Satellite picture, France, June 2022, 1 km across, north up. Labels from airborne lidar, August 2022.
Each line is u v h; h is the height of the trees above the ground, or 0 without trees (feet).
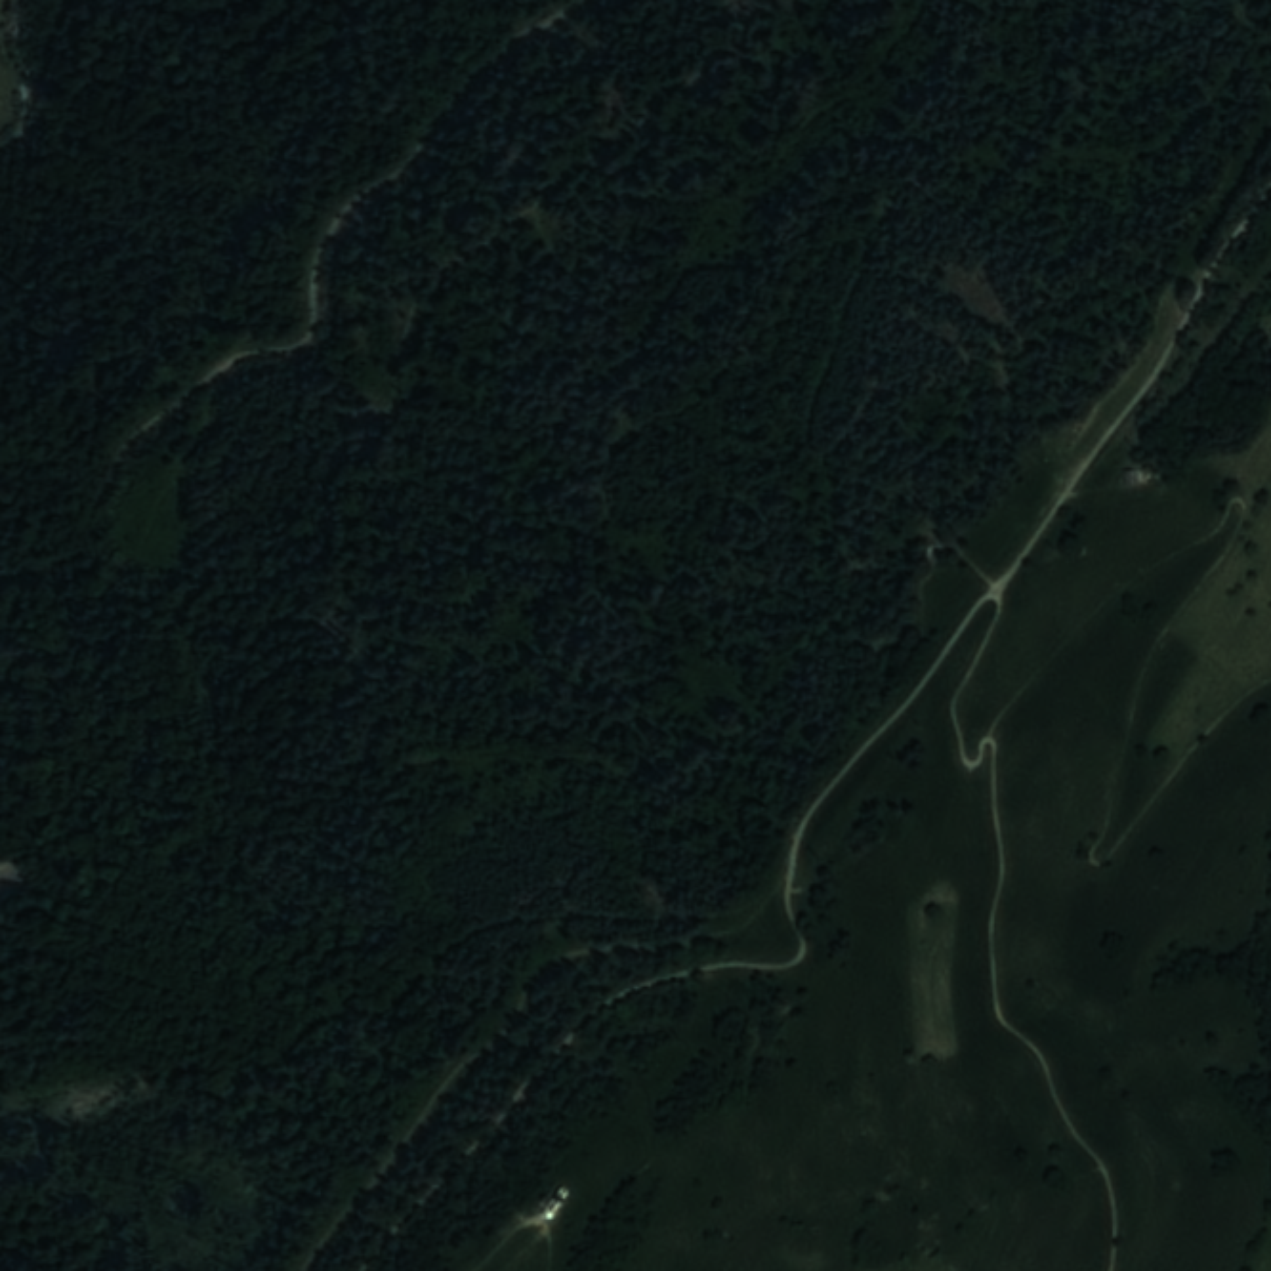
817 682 93
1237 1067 0
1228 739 0
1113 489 0
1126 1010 0
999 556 0
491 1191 49
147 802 26
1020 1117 0
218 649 37
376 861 46
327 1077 52
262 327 52
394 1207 37
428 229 42
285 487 49
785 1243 0
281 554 52
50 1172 57
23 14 40
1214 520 0
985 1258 0
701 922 77
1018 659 0
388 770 62
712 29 108
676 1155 0
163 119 28
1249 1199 0
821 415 51
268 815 46
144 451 38
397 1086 66
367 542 73
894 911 0
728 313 75
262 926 45
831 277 45
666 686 54
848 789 0
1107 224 39
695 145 46
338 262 41
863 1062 0
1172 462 86
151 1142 46
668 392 77
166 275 33
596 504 95
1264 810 0
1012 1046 0
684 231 26
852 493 79
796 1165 0
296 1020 40
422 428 46
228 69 71
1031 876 0
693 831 60
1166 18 74
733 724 94
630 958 82
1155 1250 0
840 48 43
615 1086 69
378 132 58
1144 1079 0
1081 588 0
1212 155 43
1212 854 0
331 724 75
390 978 53
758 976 39
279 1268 29
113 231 69
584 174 69
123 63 55
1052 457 0
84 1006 42
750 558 55
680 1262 0
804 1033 0
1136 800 0
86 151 74
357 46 64
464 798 39
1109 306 48
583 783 53
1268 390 75
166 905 27
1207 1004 0
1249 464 0
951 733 0
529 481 33
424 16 52
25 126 23
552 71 58
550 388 110
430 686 52
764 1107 0
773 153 32
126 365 53
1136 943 0
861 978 0
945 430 50
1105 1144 0
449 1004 58
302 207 79
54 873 39
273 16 24
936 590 0
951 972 0
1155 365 0
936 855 0
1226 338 43
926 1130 0
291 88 78
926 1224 0
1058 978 0
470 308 22
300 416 55
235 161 69
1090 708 0
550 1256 0
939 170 75
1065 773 0
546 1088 78
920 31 19
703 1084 48
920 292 85
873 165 63
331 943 51
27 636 65
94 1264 59
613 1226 47
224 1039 56
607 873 50
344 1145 50
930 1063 33
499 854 25
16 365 98
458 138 75
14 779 59
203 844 51
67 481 33
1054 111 28
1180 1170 0
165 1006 37
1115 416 0
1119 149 24
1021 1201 0
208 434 31
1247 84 94
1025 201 47
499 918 43
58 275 86
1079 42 35
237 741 66
